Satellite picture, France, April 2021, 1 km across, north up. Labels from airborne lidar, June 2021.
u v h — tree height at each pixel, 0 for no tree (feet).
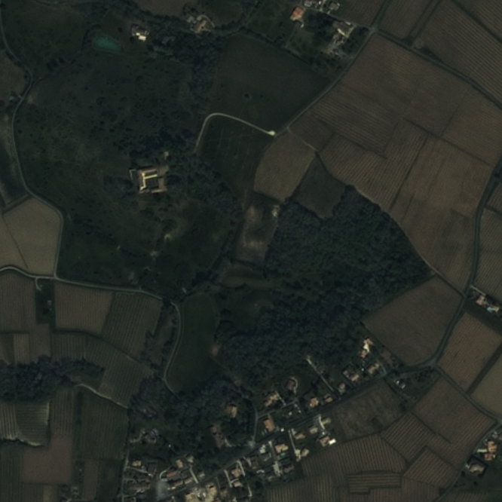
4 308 0
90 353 0
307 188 0
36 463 0
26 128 0
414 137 0
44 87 0
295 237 61
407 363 0
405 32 0
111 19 0
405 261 66
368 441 0
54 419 0
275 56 0
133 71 0
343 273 34
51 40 0
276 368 80
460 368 0
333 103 0
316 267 70
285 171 0
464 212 0
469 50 0
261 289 0
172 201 54
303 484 0
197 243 0
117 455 0
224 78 0
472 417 0
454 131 0
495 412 0
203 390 53
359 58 0
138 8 54
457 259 0
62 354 0
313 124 0
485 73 0
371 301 79
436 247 0
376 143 0
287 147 0
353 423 0
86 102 0
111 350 0
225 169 0
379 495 0
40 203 0
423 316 0
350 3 0
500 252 0
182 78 0
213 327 0
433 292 0
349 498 0
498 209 0
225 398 57
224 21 0
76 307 0
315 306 45
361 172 0
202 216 0
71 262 0
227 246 38
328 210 0
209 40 59
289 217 57
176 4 0
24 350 0
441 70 0
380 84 0
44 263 0
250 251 0
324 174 0
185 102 0
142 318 0
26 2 0
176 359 0
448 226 0
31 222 0
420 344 0
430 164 0
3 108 54
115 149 19
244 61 0
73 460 0
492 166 0
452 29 0
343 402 0
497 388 0
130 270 0
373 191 0
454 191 0
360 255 84
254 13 36
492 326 0
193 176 43
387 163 0
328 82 0
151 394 68
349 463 0
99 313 0
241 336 46
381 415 0
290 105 0
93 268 0
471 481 0
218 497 0
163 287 0
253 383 57
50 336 0
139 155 26
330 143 0
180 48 39
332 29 64
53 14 0
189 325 0
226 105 0
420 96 0
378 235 72
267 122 0
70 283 0
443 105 0
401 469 0
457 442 0
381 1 0
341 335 73
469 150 0
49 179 0
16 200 0
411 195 0
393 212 0
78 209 0
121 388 0
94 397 0
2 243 0
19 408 0
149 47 0
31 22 0
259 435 0
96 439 0
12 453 0
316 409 38
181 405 88
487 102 0
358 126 0
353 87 0
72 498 0
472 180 0
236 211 68
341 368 31
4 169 0
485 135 0
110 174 0
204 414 50
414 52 0
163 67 0
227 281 0
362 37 44
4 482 0
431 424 0
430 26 0
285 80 0
